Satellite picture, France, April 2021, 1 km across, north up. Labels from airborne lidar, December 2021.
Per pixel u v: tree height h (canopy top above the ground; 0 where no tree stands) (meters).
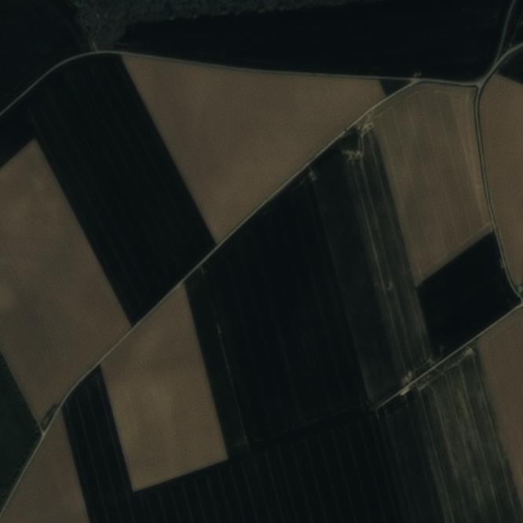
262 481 0
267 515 0
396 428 0
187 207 0
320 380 0
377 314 0
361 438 0
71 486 0
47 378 0
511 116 0
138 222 0
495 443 0
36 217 0
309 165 0
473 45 0
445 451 0
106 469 0
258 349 0
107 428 0
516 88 0
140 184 0
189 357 0
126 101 0
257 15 0
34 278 0
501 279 0
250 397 0
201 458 0
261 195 0
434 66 0
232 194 0
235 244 0
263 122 0
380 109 0
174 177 0
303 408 0
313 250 0
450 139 0
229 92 0
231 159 0
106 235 0
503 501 0
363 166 0
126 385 0
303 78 0
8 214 0
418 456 0
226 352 0
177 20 0
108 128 0
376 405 0
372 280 0
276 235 0
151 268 0
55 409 0
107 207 0
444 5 0
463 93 0
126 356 0
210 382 0
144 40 0
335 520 0
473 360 0
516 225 0
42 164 0
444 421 0
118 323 0
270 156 0
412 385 0
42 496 0
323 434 0
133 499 0
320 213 0
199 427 0
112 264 0
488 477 0
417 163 0
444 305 0
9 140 0
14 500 0
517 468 0
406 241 0
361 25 0
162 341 0
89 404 0
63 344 0
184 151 0
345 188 0
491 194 0
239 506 0
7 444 0
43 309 0
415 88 0
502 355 0
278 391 0
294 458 0
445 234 0
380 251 0
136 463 0
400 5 0
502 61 0
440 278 0
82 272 0
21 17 0
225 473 0
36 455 0
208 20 0
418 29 0
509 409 0
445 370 0
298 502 0
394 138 0
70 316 0
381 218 0
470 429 0
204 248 0
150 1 20
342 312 0
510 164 0
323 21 0
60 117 0
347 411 0
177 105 0
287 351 0
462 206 0
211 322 0
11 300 0
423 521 0
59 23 0
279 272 0
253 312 0
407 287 0
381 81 0
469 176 0
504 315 0
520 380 0
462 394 0
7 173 0
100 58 0
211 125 0
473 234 0
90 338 0
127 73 0
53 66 0
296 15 0
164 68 0
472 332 0
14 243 0
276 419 0
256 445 0
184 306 0
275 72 0
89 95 0
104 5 24
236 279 0
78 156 0
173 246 0
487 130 0
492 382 0
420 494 0
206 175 0
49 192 0
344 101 0
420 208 0
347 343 0
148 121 0
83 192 0
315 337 0
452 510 0
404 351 0
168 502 0
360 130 0
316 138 0
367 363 0
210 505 0
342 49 0
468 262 0
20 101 0
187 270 0
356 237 0
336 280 0
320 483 0
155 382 0
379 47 0
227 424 0
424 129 0
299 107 0
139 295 0
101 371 0
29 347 0
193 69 0
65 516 0
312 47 0
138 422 0
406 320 0
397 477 0
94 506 0
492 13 0
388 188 0
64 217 0
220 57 0
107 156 0
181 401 0
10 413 0
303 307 0
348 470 0
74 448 0
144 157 0
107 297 0
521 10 0
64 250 0
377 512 0
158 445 0
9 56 0
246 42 0
